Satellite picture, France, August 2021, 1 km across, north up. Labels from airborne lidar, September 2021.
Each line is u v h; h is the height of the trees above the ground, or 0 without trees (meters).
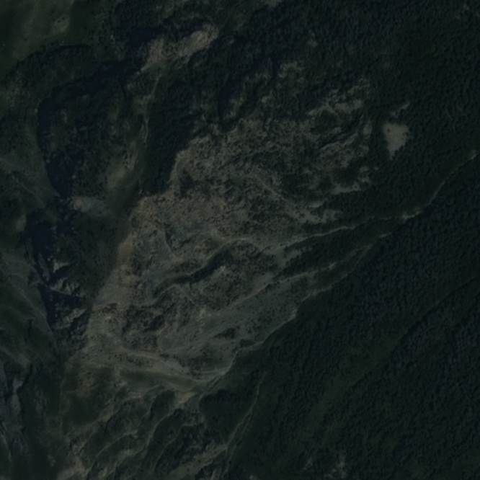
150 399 0
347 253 10
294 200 10
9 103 0
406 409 8
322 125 7
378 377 7
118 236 0
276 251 0
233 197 8
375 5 25
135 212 0
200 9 10
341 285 7
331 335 11
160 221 8
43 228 0
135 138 0
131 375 0
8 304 0
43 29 0
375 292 21
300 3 18
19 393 0
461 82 23
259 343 0
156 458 0
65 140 0
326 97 11
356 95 13
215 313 0
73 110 0
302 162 9
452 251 13
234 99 8
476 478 11
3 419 0
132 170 0
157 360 0
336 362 10
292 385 8
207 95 8
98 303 0
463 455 13
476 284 17
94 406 0
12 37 0
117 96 6
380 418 8
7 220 0
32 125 0
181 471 0
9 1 0
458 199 19
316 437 6
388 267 22
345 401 8
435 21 10
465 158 7
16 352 0
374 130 17
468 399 9
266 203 7
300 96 14
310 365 12
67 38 0
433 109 26
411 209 8
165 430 0
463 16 25
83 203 0
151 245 0
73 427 0
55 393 0
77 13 0
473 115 22
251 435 0
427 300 14
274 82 9
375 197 16
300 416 8
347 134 9
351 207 18
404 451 15
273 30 7
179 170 0
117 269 0
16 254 0
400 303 15
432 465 10
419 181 30
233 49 9
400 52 17
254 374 7
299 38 12
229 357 0
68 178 8
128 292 0
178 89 6
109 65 9
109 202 0
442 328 13
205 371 0
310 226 9
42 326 0
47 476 0
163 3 8
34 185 0
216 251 0
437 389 9
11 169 0
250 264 8
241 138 6
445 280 15
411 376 11
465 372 18
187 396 0
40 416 0
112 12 11
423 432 8
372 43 16
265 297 0
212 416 0
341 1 20
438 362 7
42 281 0
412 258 20
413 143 24
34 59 7
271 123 7
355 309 15
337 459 9
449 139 22
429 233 26
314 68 10
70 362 0
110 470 0
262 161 10
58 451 0
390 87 18
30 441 0
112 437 0
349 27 27
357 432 6
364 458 9
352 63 15
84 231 0
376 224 11
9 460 0
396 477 10
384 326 13
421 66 24
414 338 20
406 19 10
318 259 11
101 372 0
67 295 0
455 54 21
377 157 19
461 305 23
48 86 0
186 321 6
